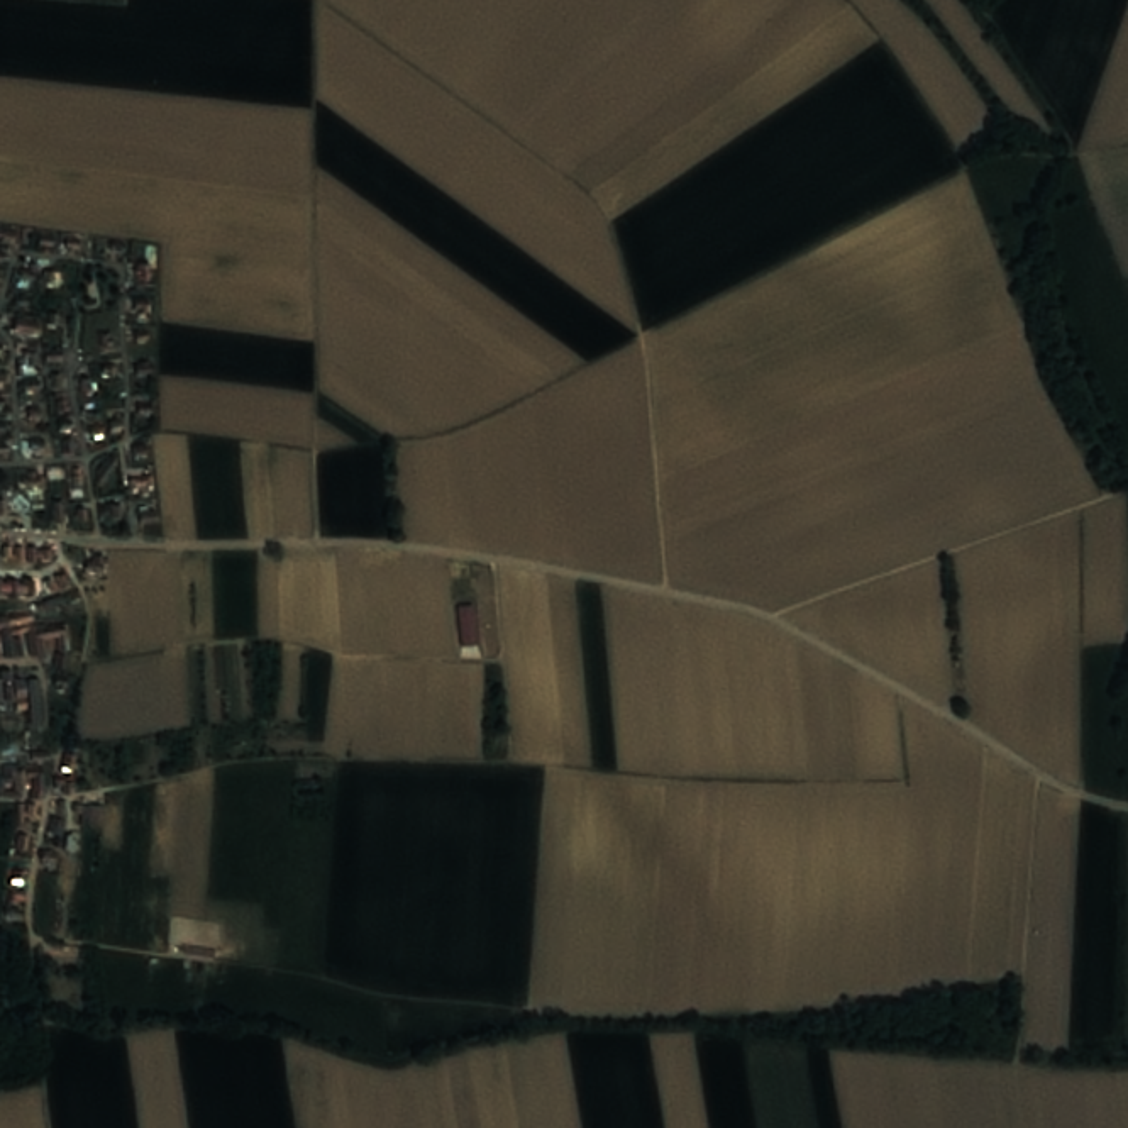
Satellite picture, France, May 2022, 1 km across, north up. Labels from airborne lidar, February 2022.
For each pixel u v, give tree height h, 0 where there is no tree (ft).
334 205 0
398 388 0
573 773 0
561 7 0
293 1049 0
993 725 0
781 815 0
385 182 0
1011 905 0
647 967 0
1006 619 0
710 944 0
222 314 0
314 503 0
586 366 0
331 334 0
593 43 0
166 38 0
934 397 0
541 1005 0
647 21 0
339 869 0
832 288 0
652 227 0
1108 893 0
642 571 0
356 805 0
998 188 0
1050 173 44
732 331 0
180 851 0
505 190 0
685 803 0
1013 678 0
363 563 0
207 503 0
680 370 0
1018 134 59
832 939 0
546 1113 0
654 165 0
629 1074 0
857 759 0
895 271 0
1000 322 0
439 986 0
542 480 0
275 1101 0
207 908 0
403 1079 0
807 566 0
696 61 0
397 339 0
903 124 0
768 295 0
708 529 0
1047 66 0
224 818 0
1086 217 0
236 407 0
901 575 0
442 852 0
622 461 0
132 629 0
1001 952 0
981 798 0
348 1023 0
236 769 0
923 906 0
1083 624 0
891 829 0
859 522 0
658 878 0
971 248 0
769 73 0
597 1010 0
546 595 0
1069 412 21
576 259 0
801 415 0
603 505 0
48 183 0
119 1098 0
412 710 0
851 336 0
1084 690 0
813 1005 0
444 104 0
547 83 0
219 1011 45
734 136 0
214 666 0
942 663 0
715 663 0
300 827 0
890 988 0
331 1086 0
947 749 0
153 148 0
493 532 0
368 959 0
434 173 0
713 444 0
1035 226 33
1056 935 0
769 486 0
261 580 0
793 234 0
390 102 0
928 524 0
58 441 0
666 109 0
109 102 0
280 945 0
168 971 0
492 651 0
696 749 0
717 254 0
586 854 0
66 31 0
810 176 0
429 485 0
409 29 0
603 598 0
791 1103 0
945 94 0
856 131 0
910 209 0
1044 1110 0
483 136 0
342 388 0
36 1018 81
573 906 0
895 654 0
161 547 0
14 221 0
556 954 0
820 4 0
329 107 0
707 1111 0
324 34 0
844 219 0
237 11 0
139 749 0
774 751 0
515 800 0
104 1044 0
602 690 0
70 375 0
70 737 39
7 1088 44
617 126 0
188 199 0
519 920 0
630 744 0
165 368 0
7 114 0
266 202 0
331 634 0
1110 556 0
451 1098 0
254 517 0
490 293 0
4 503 0
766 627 0
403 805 0
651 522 0
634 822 0
